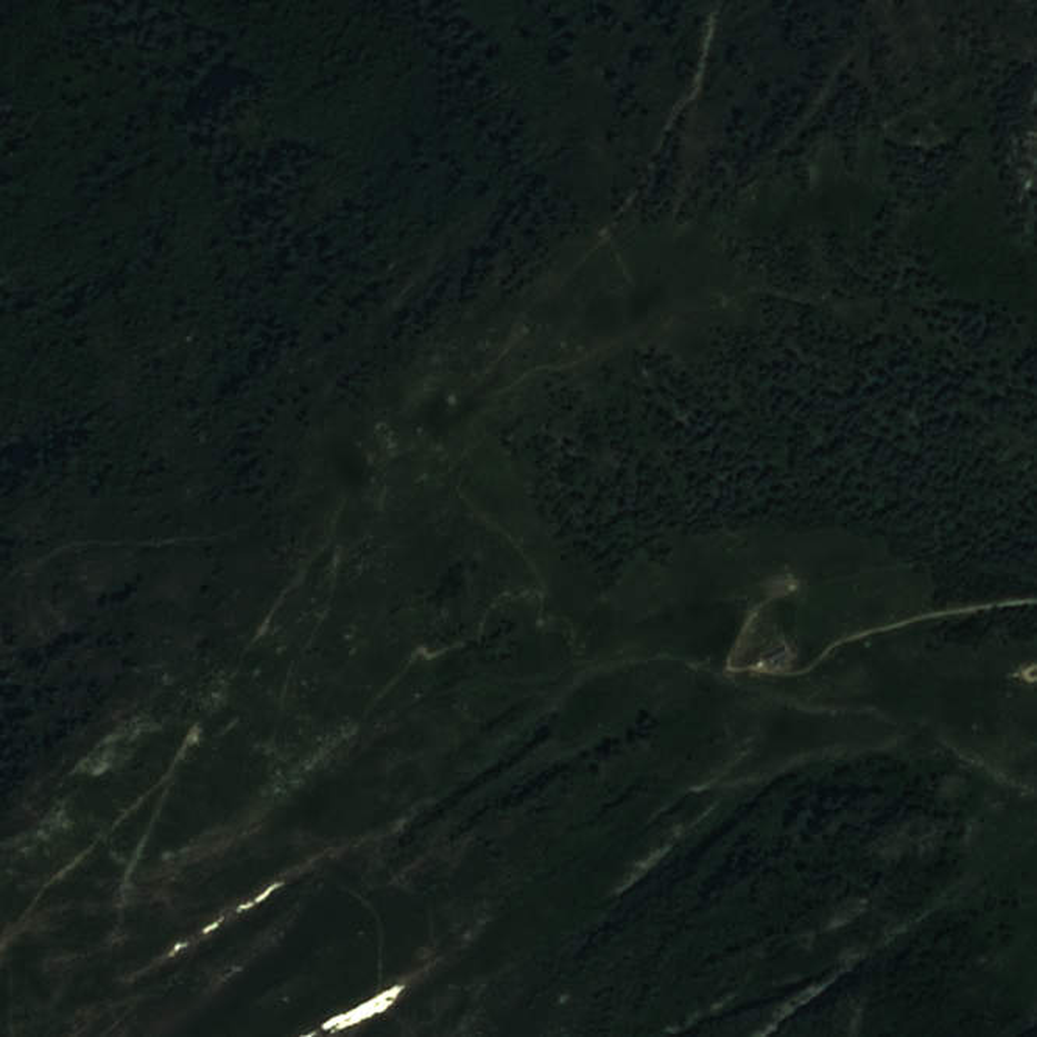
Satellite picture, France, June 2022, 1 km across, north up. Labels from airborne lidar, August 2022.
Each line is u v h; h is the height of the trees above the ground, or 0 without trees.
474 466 0
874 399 24
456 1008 0
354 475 0
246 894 0
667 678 0
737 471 27
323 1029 0
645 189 9
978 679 0
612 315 0
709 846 8
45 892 0
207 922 0
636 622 0
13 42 6
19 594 0
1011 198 8
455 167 11
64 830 0
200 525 0
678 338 0
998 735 0
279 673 0
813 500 14
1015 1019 6
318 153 6
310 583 0
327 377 0
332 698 0
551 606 0
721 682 0
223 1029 0
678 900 7
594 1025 6
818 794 11
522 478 0
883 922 7
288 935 0
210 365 8
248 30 6
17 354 7
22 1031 0
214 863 0
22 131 8
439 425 0
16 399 6
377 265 6
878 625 0
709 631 0
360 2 6
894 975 8
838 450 22
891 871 10
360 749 0
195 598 0
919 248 12
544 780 11
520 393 0
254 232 20
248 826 0
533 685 0
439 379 0
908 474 27
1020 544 24
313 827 0
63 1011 0
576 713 0
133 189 9
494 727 6
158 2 27
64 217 6
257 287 6
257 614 0
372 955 0
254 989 0
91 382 6
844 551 0
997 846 0
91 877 0
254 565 0
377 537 0
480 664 9
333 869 0
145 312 6
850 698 0
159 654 0
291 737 0
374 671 0
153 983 0
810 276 9
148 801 0
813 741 0
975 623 18
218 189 7
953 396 23
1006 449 9
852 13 11
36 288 6
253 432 6
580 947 6
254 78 11
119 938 0
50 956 0
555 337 0
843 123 8
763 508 7
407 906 0
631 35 12
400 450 0
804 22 13
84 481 6
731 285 0
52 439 8
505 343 0
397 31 6
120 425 7
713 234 0
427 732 0
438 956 0
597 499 12
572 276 0
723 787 0
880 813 11
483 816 12
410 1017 0
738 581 0
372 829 0
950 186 28
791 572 0
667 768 0
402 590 0
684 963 7
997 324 29
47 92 6
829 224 0
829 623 0
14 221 9
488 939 0
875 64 8
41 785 0
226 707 0
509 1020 0
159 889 0
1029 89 7
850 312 0
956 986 7
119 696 0
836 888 10
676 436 28
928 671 0
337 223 7
